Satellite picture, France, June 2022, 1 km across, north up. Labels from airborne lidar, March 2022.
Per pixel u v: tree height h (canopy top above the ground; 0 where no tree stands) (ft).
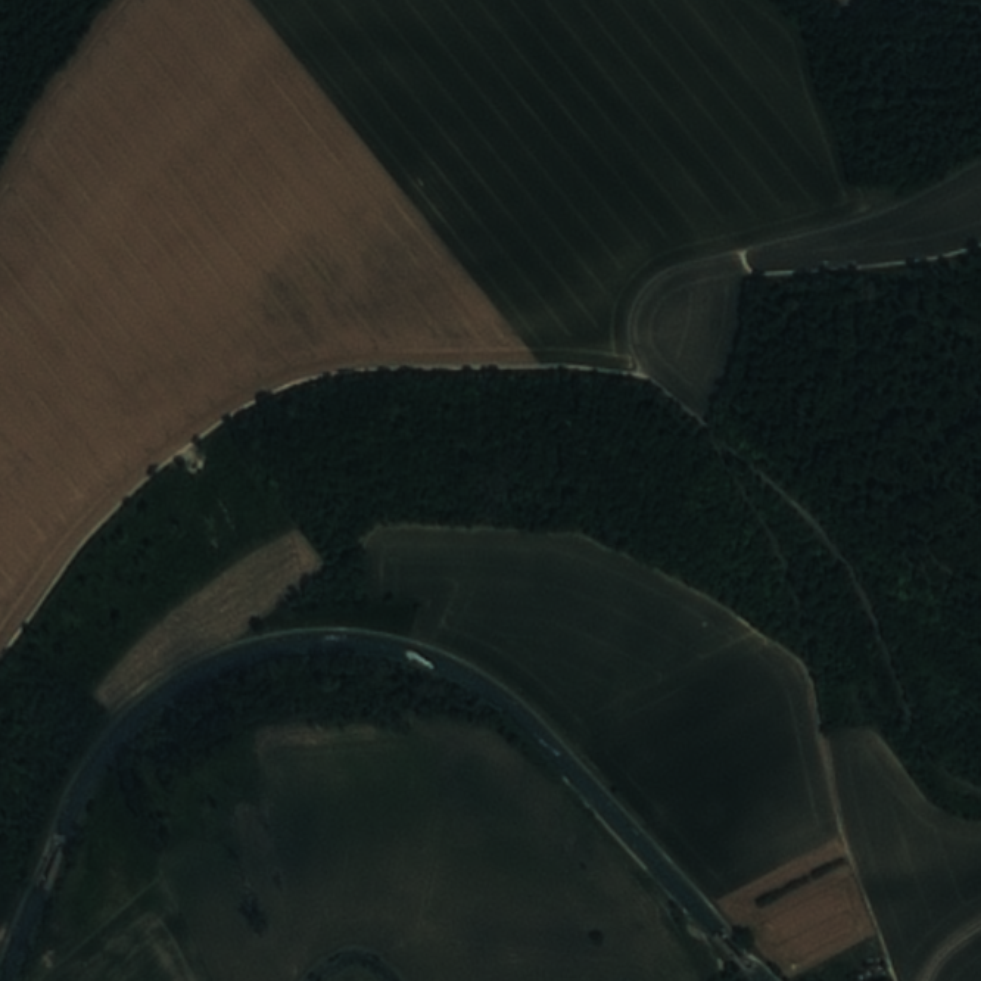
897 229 0
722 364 0
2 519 0
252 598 0
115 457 0
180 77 0
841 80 64
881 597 38
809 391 62
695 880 0
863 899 0
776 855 0
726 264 0
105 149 0
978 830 0
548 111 0
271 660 62
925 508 66
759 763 0
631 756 0
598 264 0
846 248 0
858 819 0
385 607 0
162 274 0
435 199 0
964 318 66
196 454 0
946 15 57
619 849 0
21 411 0
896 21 73
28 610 0
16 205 0
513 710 0
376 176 0
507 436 42
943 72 64
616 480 58
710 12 0
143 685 0
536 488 56
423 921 0
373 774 0
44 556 0
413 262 0
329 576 37
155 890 0
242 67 0
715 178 0
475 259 0
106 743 0
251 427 64
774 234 0
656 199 0
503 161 0
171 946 0
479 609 0
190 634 0
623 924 0
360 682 30
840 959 0
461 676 0
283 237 0
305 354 0
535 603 0
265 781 0
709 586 22
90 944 0
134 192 0
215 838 0
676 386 0
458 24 0
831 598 42
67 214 0
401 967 0
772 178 0
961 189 0
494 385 54
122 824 0
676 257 0
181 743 84
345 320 0
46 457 0
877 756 0
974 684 42
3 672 23
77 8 44
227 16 0
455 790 0
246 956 0
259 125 0
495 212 0
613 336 0
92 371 0
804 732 0
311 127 0
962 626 46
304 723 0
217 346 0
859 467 68
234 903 0
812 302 53
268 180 0
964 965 0
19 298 0
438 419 61
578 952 0
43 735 71
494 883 0
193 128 0
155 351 0
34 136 0
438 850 0
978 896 0
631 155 0
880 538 42
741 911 0
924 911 0
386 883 0
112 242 0
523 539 0
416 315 0
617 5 0
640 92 0
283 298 0
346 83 0
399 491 38
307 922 0
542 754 0
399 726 73
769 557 33
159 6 0
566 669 0
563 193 0
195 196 0
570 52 0
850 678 47
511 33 0
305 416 60
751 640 0
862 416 51
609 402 56
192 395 0
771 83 0
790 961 0
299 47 0
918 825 0
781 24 0
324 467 34
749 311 54
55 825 0
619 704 0
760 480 36
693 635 0
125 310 0
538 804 0
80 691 26
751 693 0
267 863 0
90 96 0
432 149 0
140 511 43
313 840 0
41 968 0
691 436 46
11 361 0
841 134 28
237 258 0
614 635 0
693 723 0
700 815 0
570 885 0
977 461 48
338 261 0
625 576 0
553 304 0
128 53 0
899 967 0
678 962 0
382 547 0
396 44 0
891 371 64
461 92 0
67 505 0
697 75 0
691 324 0
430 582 0
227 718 89
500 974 0
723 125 0
